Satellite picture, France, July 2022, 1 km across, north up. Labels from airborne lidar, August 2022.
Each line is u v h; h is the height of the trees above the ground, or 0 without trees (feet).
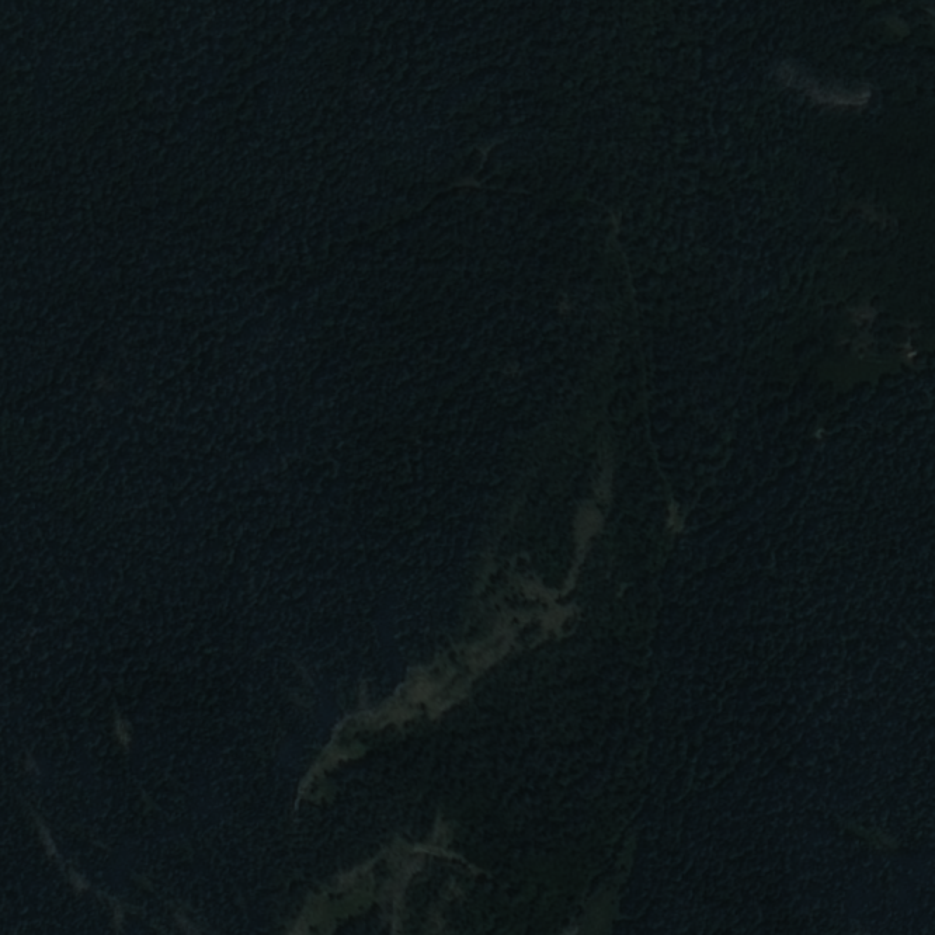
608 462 23
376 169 53
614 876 36
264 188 75
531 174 73
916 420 67
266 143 73
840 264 41
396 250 72
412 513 42
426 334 47
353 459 43
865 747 86
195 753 45
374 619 30
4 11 90
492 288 46
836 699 93
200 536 91
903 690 68
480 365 56
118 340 83
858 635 41
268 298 62
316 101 61
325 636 46
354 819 27
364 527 57
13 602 60
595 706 63
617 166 52
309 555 54
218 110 77
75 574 104
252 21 88
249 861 34
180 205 93
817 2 60
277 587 74
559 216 101
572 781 40
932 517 56
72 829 28
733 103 67
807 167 32
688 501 85
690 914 47
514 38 57
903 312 41
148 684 83
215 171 59
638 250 100
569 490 73
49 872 47
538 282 66
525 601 38
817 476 58
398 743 42
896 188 50
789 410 61
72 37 81
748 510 66
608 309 55
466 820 58
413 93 74
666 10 76
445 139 56
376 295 59
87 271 76
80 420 57
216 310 85
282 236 80
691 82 88
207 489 71
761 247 47
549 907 64
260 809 29
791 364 55
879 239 42
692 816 65
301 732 47
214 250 82
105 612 89
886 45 30
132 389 48
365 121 86
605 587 59
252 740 48
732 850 111
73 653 60
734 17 107
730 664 66
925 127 47
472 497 83
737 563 70
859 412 71
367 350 35
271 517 98
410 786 50
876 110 57
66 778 49
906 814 67
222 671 107
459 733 57
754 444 75
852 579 44
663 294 88
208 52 25
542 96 62
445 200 65
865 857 35
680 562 82
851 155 53
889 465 69
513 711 89
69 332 86
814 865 76
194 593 98
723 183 98
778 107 45
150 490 86
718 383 92
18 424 44
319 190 60
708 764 67
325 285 58
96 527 75
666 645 77
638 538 91
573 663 79
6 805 32
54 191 65
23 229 57
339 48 68
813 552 62
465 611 21
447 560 83
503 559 58
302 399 96
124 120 83
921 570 47
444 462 50
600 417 27
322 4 72
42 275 55
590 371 38
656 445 47
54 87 54
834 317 46
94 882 40
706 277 110
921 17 40
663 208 53
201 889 58
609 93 55
